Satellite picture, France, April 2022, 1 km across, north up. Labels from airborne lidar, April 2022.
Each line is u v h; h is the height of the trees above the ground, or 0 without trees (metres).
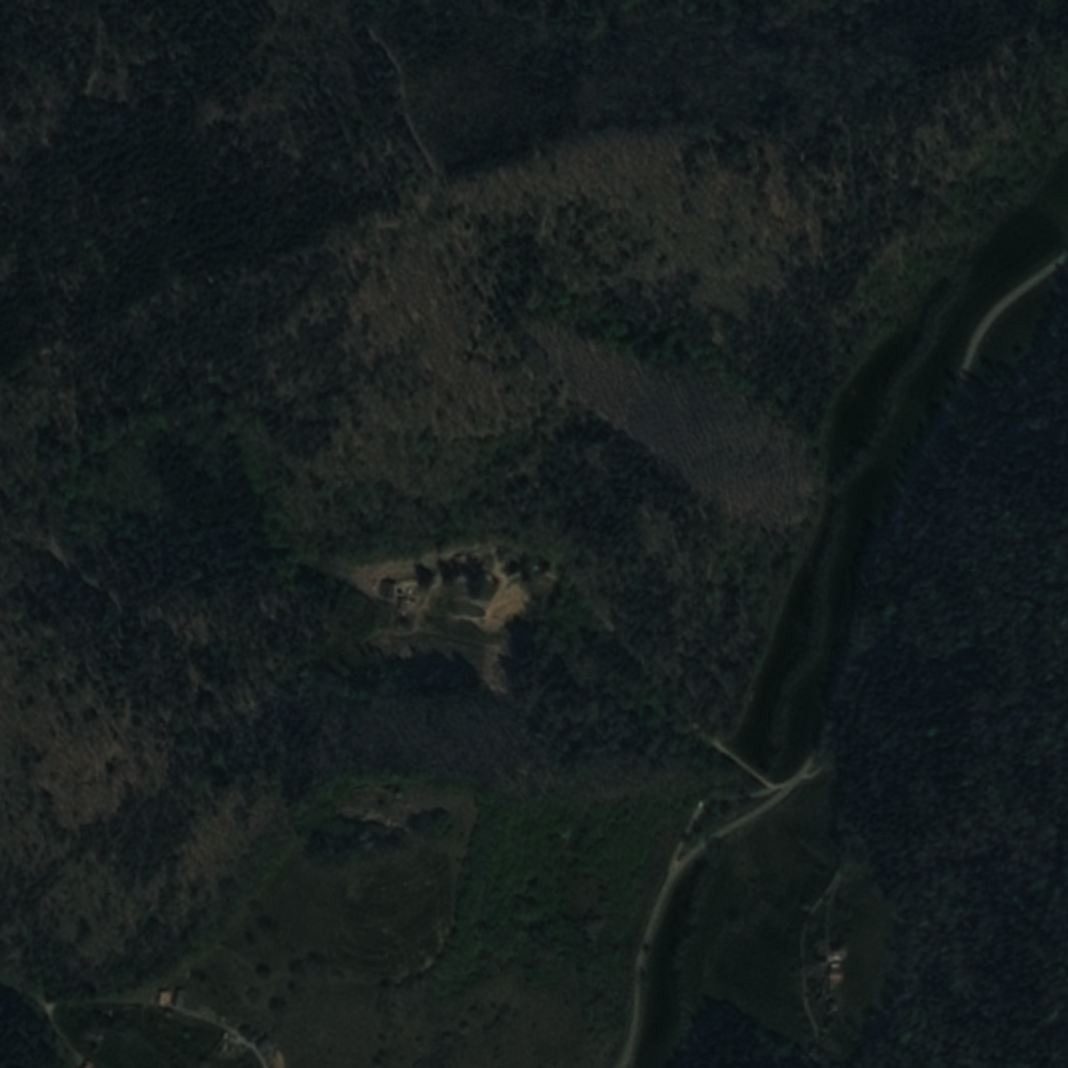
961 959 28
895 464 0
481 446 14
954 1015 18
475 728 25
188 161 24
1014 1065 21
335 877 14
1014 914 25
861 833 26
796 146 24
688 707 21
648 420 21
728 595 26
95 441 20
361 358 22
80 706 19
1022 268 0
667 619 21
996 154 24
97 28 16
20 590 14
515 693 28
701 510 26
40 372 28
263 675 25
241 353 25
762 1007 0
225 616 23
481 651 0
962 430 22
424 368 17
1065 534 27
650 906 8
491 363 16
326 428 22
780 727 17
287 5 10
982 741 28
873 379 0
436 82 19
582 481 26
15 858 13
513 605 0
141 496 28
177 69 26
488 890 21
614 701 27
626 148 15
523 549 17
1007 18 21
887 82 10
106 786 15
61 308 21
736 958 0
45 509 14
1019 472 27
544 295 27
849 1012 0
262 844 20
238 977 0
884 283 20
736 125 15
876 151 25
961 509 28
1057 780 20
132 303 17
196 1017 0
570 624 14
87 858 14
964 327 0
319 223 18
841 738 24
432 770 21
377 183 18
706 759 23
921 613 27
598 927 15
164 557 8
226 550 39
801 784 0
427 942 0
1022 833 25
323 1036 0
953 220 15
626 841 14
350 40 14
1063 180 0
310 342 23
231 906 27
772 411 18
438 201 17
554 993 0
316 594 33
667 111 19
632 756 32
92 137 34
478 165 15
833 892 0
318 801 23
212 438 26
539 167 17
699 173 18
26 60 24
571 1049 0
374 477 20
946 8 19
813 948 0
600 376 26
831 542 16
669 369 24
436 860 0
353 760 25
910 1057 23
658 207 16
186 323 25
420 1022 0
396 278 16
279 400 19
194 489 34
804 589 0
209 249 20
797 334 26
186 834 21
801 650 0
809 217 22
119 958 17
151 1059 0
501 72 19
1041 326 0
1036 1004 27
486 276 19
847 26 24
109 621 23
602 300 26
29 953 24
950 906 30
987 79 19
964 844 27
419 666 0
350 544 21
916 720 28
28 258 19
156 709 24
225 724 26
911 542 28
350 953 0
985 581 24
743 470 23
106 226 23
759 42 26
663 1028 0
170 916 20
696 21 18
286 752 25
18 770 14
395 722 28
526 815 13
